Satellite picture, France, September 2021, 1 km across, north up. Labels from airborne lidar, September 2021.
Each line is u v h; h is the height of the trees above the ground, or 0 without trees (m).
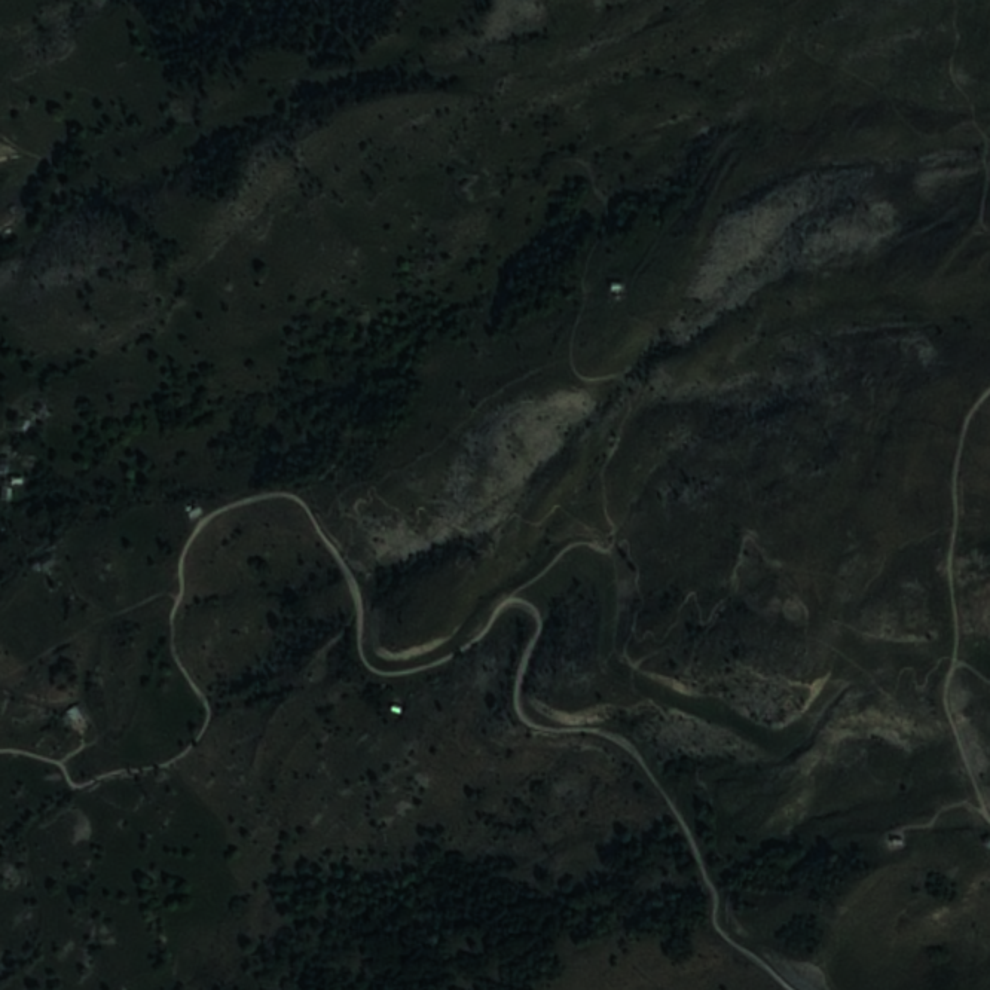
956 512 0
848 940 0
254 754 0
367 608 0
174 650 0
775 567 0
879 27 0
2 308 0
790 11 0
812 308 0
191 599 0
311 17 17
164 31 15
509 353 0
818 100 0
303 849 0
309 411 14
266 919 0
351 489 0
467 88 0
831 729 0
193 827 0
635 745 0
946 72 0
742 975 0
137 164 0
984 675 0
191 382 10
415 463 0
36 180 11
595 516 0
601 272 0
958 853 0
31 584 0
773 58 0
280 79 0
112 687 0
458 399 0
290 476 13
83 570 0
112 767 0
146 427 12
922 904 0
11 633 0
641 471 0
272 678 9
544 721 0
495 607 0
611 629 0
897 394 0
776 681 0
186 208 0
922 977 0
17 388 0
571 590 0
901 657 0
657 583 0
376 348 13
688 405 0
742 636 0
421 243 0
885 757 0
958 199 0
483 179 0
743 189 0
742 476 0
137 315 0
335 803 0
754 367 0
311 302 9
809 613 0
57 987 7
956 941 0
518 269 14
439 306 9
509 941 12
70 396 0
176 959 0
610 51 0
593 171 0
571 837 0
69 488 8
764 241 0
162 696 0
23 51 0
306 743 0
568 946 0
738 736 0
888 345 0
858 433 0
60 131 0
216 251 0
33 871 0
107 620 0
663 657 0
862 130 0
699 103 0
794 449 0
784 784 0
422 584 0
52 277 0
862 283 0
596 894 12
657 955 0
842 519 0
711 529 0
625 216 11
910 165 0
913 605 0
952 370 0
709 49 7
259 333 0
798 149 0
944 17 0
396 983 9
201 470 0
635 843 10
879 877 0
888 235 0
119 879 0
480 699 0
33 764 0
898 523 0
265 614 0
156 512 0
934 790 0
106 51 0
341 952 10
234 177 13
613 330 0
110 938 0
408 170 0
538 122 6
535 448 0
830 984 0
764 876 10
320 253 0
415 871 11
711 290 0
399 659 0
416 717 0
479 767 0
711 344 0
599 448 0
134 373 0
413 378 14
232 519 0
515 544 0
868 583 0
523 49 0
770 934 0
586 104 0
